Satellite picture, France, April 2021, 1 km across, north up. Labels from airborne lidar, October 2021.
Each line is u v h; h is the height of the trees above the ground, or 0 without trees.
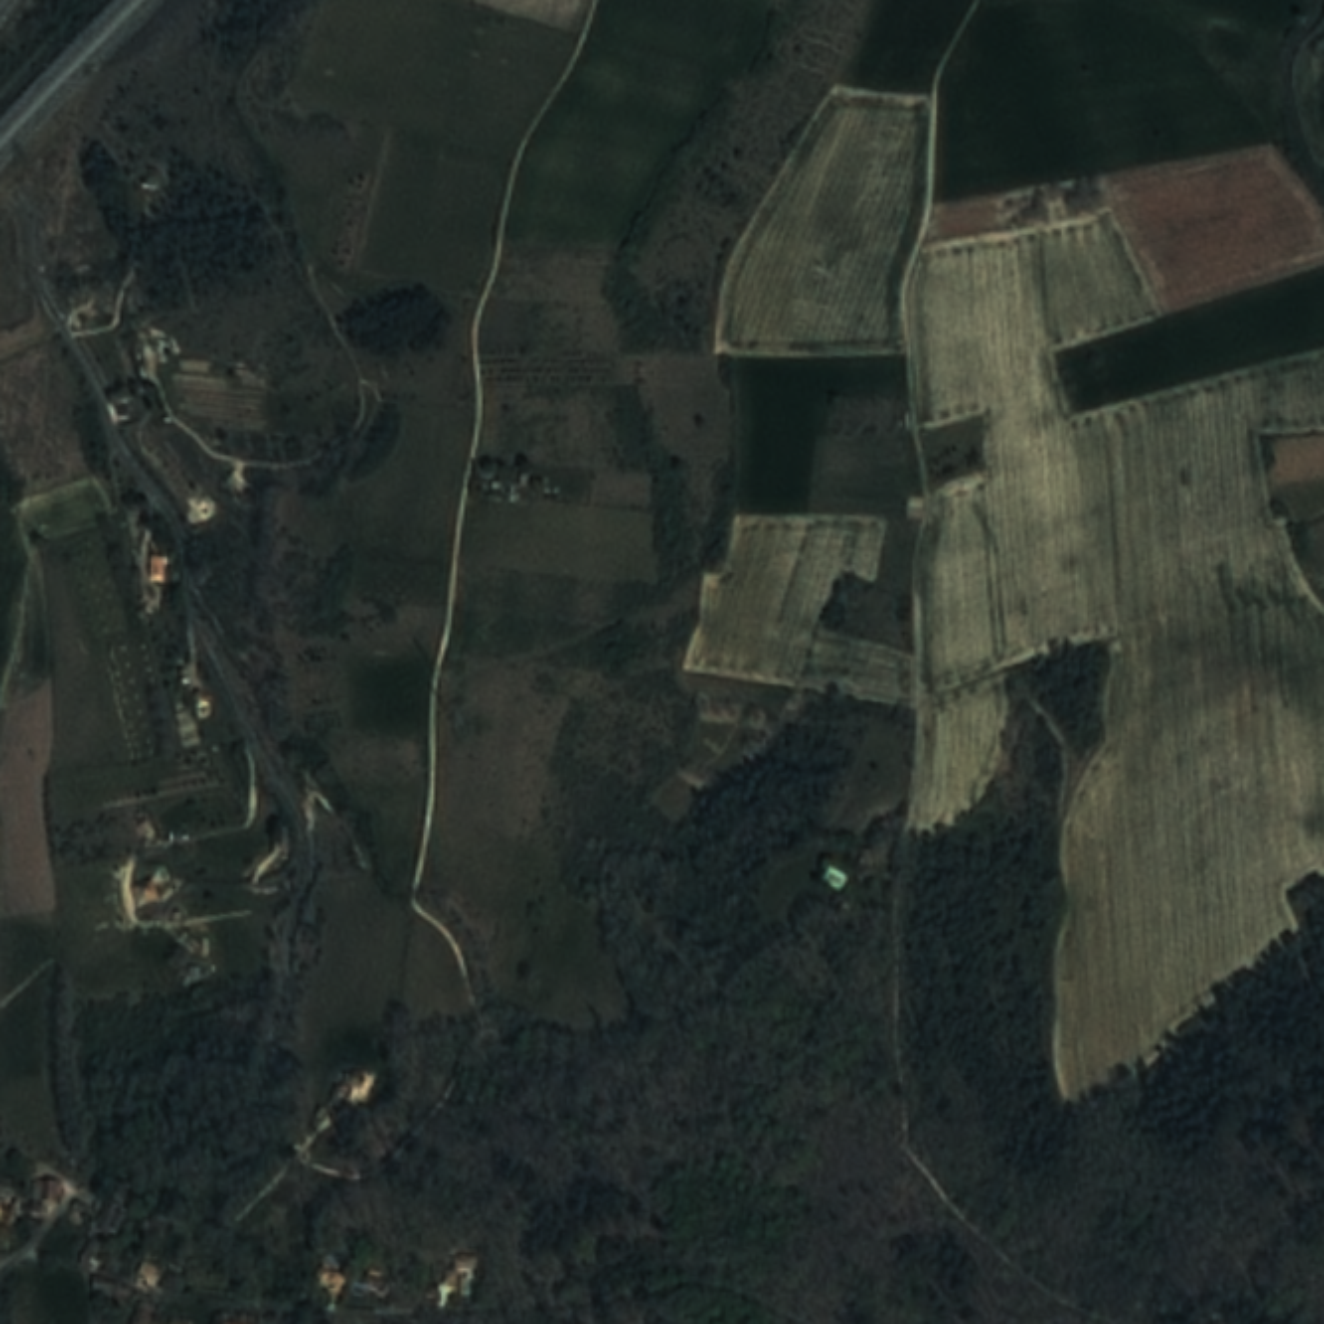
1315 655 0
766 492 0
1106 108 0
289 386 0
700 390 0
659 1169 14
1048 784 11
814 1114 16
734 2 0
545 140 0
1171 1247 20
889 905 10
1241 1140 12
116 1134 10
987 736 0
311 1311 19
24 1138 0
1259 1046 15
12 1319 17
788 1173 18
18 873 0
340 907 0
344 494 0
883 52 0
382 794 0
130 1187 7
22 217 0
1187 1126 16
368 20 0
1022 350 0
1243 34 0
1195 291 0
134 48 0
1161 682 0
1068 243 0
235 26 7
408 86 0
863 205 0
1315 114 0
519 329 0
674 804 0
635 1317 17
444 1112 15
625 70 0
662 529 9
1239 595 0
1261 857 0
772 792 13
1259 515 0
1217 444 0
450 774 0
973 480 0
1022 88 0
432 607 0
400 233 0
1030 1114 10
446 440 0
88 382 8
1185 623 0
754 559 0
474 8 0
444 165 0
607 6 0
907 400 0
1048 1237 13
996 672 0
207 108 0
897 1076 22
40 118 0
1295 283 0
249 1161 21
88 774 0
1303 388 0
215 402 0
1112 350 0
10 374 0
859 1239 13
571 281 0
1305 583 0
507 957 0
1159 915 0
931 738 0
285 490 9
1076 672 10
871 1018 21
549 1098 20
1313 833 0
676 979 19
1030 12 0
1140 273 0
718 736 0
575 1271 19
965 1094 18
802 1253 10
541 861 0
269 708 16
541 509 0
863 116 0
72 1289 0
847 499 0
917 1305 24
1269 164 0
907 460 0
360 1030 0
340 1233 19
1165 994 0
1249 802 0
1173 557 0
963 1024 17
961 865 10
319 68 0
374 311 13
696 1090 14
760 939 0
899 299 0
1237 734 0
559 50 0
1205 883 0
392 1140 14
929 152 0
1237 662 0
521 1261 18
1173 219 0
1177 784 0
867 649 0
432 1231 19
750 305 0
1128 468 0
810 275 0
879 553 0
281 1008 12
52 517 0
